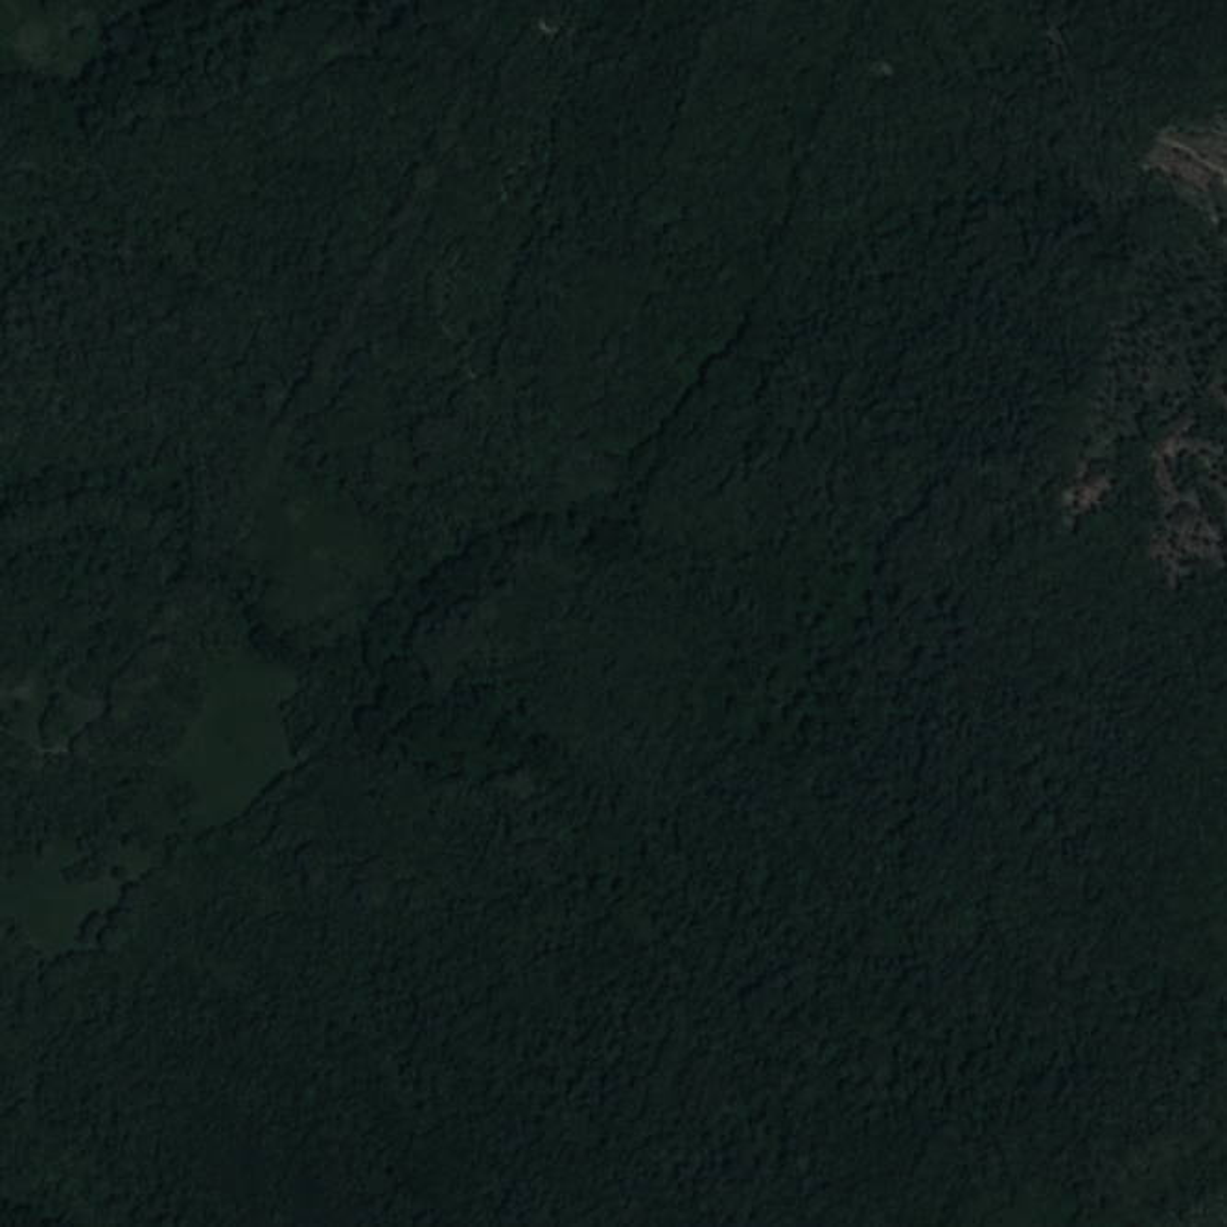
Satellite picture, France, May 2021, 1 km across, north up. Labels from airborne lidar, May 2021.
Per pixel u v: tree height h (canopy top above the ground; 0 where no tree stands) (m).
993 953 11
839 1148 8
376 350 13
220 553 20
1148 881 11
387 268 10
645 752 12
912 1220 7
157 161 9
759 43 19
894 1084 9
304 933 6
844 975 10
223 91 15
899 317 10
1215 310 19
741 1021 7
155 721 7
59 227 13
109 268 10
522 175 6
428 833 9
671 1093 7
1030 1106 8
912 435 14
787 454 12
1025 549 13
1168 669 9
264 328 6
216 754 0
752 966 11
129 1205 10
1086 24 10
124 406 15
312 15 18
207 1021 10
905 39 11
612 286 11
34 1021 10
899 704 10
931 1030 7
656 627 14
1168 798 10
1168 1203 8
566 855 9
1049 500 9
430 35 16
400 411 11
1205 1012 12
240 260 9
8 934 10
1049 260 9
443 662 21
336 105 7
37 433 11
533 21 6
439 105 6
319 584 0
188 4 20
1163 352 16
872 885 12
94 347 11
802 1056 11
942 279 8
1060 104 7
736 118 13
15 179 9
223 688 0
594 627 11
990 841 11
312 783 8
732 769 11
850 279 9
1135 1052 13
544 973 10
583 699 14
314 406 11
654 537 12
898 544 19
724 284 11
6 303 10
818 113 8
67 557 14
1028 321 9
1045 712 12
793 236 14
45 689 0
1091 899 8
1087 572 14
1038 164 11
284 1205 6
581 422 9
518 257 7
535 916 8
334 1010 10
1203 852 8
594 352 7
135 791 8
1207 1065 6
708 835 9
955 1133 12
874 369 6
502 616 14
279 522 0
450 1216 9
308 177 8
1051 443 16
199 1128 9
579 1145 9
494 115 6
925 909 10
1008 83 11
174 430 10
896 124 8
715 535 12
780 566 8
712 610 6
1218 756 9
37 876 0
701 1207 10
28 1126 12
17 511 19
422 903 15
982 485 17
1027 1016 10
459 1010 10
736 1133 11
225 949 7
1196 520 6
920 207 15
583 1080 12
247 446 12
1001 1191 7
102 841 10
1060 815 13
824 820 10
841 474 12
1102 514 16
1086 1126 6
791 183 7
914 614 18
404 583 13
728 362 23
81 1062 11
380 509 11
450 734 18
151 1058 10
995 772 11
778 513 13
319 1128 11
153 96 16
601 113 9
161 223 9
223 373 9
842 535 12
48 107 10
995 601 14
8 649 12
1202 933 11
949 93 10
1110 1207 13
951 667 14
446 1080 12
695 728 10
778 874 7
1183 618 11
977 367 9
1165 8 9
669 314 8
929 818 12
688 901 11
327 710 9
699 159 11
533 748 20
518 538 15
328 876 9
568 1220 9
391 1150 8
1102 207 14
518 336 9
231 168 8
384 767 14
